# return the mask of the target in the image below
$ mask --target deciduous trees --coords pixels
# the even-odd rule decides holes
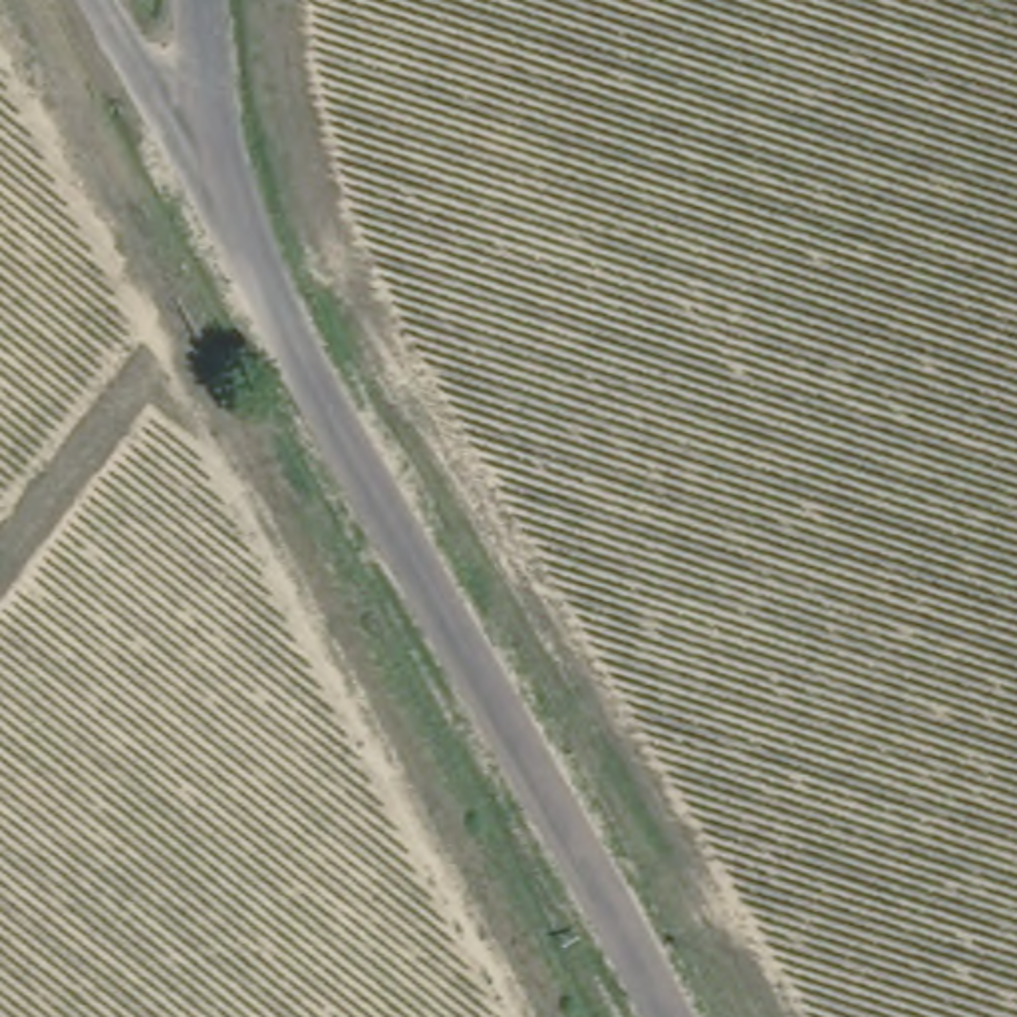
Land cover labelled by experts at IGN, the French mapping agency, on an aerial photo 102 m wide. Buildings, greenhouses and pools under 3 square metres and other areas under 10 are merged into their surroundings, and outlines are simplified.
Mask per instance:
[[[230,369],[230,413],[246,417],[246,425],[258,425],[286,385],[262,350],[250,342],[242,350],[242,362]]]

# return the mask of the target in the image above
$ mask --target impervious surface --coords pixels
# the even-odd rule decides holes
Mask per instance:
[[[211,238],[218,242],[222,258],[242,258],[246,266],[254,266],[262,306],[274,322],[274,338],[262,350],[286,385],[326,465],[346,489],[358,520],[377,544],[389,584],[413,608],[413,620],[421,624],[429,648],[441,655],[453,687],[461,691],[473,723],[481,727],[485,747],[509,775],[532,838],[544,846],[544,858],[564,878],[568,910],[580,926],[588,926],[592,945],[616,969],[640,1017],[703,1017],[695,1013],[695,993],[679,985],[679,973],[671,969],[671,949],[652,926],[640,894],[624,886],[624,878],[616,874],[608,834],[600,838],[588,822],[552,751],[540,739],[536,719],[524,711],[509,671],[497,663],[497,652],[485,644],[477,628],[477,604],[457,584],[449,560],[437,556],[433,540],[401,501],[369,437],[362,433],[362,421],[314,330],[314,318],[290,286],[286,262],[266,222],[266,207],[258,195],[242,131],[230,0],[75,0],[135,119],[147,115],[151,127],[163,135],[167,155],[175,159],[183,187],[199,218],[207,222]]]

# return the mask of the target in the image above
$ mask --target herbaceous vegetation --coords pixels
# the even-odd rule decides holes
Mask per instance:
[[[139,342],[123,358],[119,373],[103,385],[95,405],[79,417],[60,453],[28,481],[12,516],[0,520],[0,596],[20,576],[28,556],[44,544],[44,536],[56,528],[56,520],[68,512],[68,505],[79,497],[87,477],[127,437],[131,421],[147,429],[163,425],[187,449],[195,449],[211,477],[211,489],[222,497],[222,509],[234,516],[242,540],[254,548],[270,600],[286,616],[294,648],[310,659],[310,675],[322,683],[322,695],[334,703],[350,751],[369,771],[369,787],[393,818],[397,838],[405,842],[413,878],[429,890],[437,914],[445,918],[449,942],[465,961],[493,977],[493,989],[481,993],[493,1017],[640,1017],[616,969],[592,945],[588,926],[580,926],[568,910],[564,878],[544,858],[544,846],[532,838],[509,775],[485,747],[481,727],[473,723],[461,691],[453,687],[441,655],[429,648],[421,624],[413,620],[413,608],[389,584],[377,544],[358,520],[346,489],[326,465],[286,385],[258,425],[246,425],[246,417],[230,413],[230,369],[242,362],[242,350],[250,342],[262,350],[274,338],[274,322],[262,306],[254,266],[246,266],[242,258],[222,258],[218,242],[211,238],[207,222],[199,218],[183,187],[175,159],[167,155],[163,135],[151,127],[147,115],[135,119],[75,0],[0,0],[0,79],[20,119],[32,127],[44,151],[44,167],[52,171],[52,187],[79,222],[79,234],[91,242],[91,258],[103,266],[115,290],[115,306]]]
[[[759,961],[723,926],[711,922],[711,906],[699,886],[711,874],[695,850],[691,830],[671,814],[655,775],[644,767],[644,755],[632,743],[616,739],[612,715],[604,711],[604,699],[588,679],[592,671],[568,648],[564,628],[544,612],[532,588],[509,588],[497,560],[477,536],[477,524],[449,489],[441,465],[433,461],[429,445],[385,393],[385,365],[369,350],[369,342],[385,330],[385,310],[369,290],[377,254],[354,246],[338,215],[338,183],[330,175],[330,155],[322,143],[322,123],[306,75],[302,0],[230,0],[242,131],[258,195],[266,207],[266,222],[286,262],[290,286],[314,318],[314,330],[362,421],[362,433],[369,437],[401,501],[433,540],[437,556],[449,560],[457,584],[477,604],[477,628],[485,644],[497,652],[497,663],[509,671],[524,711],[536,719],[540,739],[552,751],[588,822],[600,838],[608,834],[616,874],[624,878],[624,886],[640,894],[652,926],[671,949],[671,969],[679,973],[679,985],[695,993],[695,1013],[703,1017],[795,1017],[771,993],[771,981],[763,977]]]

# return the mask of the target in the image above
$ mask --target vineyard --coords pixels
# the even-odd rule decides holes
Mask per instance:
[[[0,596],[0,1017],[493,1017],[481,993],[493,989],[493,977],[465,961],[449,942],[445,918],[437,914],[429,890],[413,878],[405,842],[397,838],[393,818],[369,787],[369,771],[350,751],[334,703],[322,695],[322,683],[310,675],[310,659],[294,648],[286,616],[270,600],[254,548],[242,540],[234,516],[222,509],[222,497],[211,489],[211,477],[195,449],[187,449],[163,425],[147,429],[131,421],[127,437],[87,477],[79,497],[68,505],[68,512],[56,520],[56,528],[44,536],[44,544],[28,556],[20,576]]]
[[[322,143],[330,155],[330,175],[338,183],[338,215],[354,246],[377,254],[369,290],[385,310],[385,330],[369,342],[369,350],[385,365],[385,393],[429,445],[433,461],[441,465],[449,489],[477,524],[477,536],[497,560],[509,588],[532,588],[544,612],[564,628],[568,648],[592,671],[588,679],[604,699],[604,711],[612,715],[616,739],[632,743],[644,755],[644,767],[655,775],[671,814],[691,830],[695,850],[711,874],[699,886],[711,906],[711,922],[723,926],[759,961],[763,977],[771,981],[771,993],[795,1017],[1017,1017],[1017,0],[302,0],[306,75],[322,123]]]
[[[44,151],[32,127],[20,119],[0,79],[0,520],[12,516],[28,481],[60,453],[79,417],[95,405],[103,385],[119,373],[123,358],[139,342],[115,306],[115,290],[103,266],[91,258],[91,242],[79,234],[79,222],[52,187],[52,171],[44,167]]]

